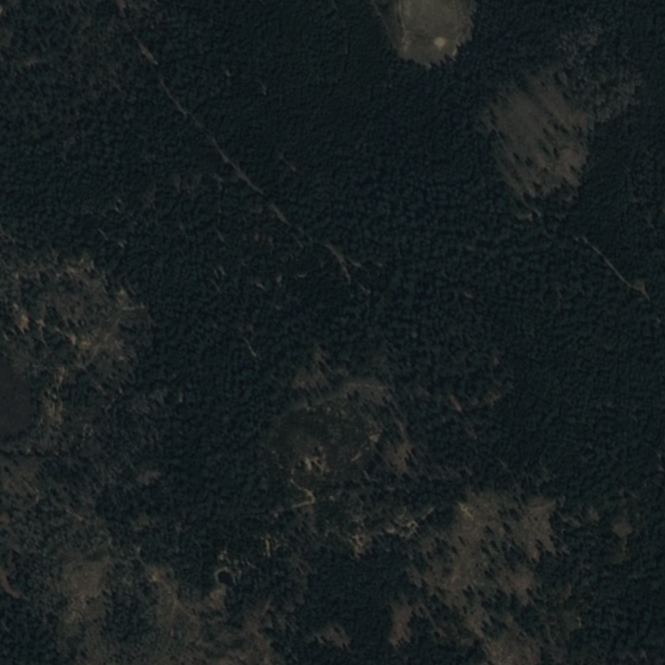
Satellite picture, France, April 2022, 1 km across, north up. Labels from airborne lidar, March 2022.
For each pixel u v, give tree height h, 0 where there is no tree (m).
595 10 27
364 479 7
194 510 18
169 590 0
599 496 24
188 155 15
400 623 0
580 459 17
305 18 15
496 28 26
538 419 20
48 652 27
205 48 19
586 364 17
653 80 21
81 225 18
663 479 23
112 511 14
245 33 20
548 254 7
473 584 0
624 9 27
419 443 28
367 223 29
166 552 9
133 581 23
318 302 12
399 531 25
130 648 16
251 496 12
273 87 20
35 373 19
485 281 24
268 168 21
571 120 0
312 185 18
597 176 13
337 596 23
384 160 19
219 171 11
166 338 16
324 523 7
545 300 14
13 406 0
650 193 25
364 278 13
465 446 12
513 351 21
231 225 20
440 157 21
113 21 15
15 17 25
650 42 25
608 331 9
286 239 12
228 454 18
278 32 18
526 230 24
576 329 24
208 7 14
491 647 15
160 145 15
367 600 24
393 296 9
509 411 10
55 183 19
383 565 26
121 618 21
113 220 17
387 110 14
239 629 10
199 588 19
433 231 20
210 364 18
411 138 22
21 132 19
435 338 25
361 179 22
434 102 19
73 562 0
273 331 14
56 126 14
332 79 22
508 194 26
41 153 24
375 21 12
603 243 17
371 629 17
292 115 17
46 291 12
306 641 27
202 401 26
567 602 8
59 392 14
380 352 29
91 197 19
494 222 23
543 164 0
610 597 23
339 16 20
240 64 16
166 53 18
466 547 23
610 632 7
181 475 27
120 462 21
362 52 11
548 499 13
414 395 26
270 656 0
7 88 25
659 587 33
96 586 0
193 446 13
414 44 0
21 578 13
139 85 26
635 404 27
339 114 16
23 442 16
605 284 21
